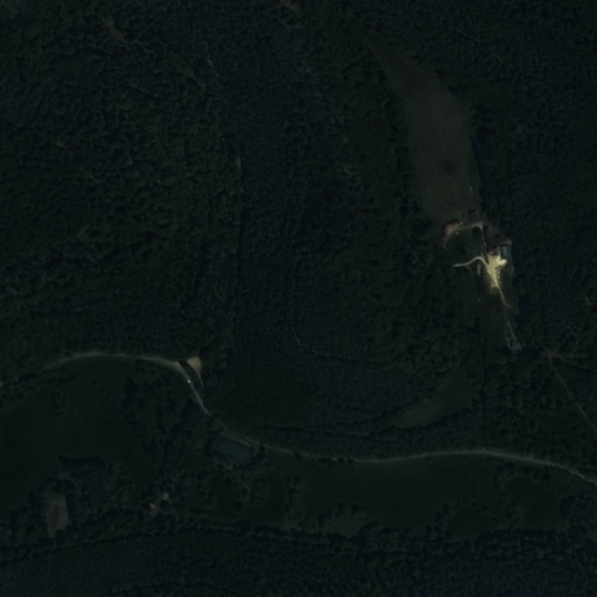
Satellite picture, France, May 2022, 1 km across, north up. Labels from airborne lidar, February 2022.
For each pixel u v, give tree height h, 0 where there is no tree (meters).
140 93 32
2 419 0
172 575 14
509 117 22
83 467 21
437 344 29
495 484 11
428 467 0
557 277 23
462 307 20
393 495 0
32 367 22
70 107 30
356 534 0
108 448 0
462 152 0
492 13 23
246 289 28
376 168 19
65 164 28
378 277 17
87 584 17
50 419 0
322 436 19
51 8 29
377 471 0
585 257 25
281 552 11
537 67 31
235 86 28
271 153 24
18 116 33
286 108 23
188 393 0
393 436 18
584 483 20
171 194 28
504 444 16
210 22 38
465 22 29
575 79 24
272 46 31
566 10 23
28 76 30
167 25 27
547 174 25
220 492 0
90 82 30
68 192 24
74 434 0
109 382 0
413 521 0
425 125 0
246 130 34
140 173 34
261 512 0
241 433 18
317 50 25
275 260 18
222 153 37
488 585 40
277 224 25
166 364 0
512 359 25
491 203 25
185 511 21
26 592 21
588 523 24
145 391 0
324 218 11
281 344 23
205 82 35
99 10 26
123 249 24
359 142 20
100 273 23
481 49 27
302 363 20
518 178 25
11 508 0
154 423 0
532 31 20
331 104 13
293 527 0
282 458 0
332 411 22
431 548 25
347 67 17
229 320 21
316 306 24
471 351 23
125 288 25
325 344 21
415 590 10
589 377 24
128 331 27
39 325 30
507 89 21
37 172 29
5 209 31
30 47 39
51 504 0
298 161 21
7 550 17
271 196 28
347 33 14
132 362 0
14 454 0
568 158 27
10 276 30
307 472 0
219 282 31
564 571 33
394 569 11
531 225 29
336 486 0
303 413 21
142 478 0
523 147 24
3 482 0
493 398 23
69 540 23
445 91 0
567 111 23
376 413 12
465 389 0
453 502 0
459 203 0
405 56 0
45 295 25
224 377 24
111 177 32
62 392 8
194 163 26
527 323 28
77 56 34
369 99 15
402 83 0
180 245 24
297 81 10
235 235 28
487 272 0
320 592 35
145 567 11
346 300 9
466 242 0
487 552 29
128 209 32
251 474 19
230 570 12
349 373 24
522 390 31
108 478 14
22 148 32
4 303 23
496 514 0
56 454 0
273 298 22
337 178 12
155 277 21
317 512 0
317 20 19
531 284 25
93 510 20
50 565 14
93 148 33
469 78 25
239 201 25
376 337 25
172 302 6
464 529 0
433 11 26
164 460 24
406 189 33
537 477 11
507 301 0
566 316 23
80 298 29
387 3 22
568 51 22
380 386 24
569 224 21
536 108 24
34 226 29
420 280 8
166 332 21
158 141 31
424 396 21
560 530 0
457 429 23
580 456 16
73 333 26
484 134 24
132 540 14
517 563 41
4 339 29
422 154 0
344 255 10
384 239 16
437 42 23
